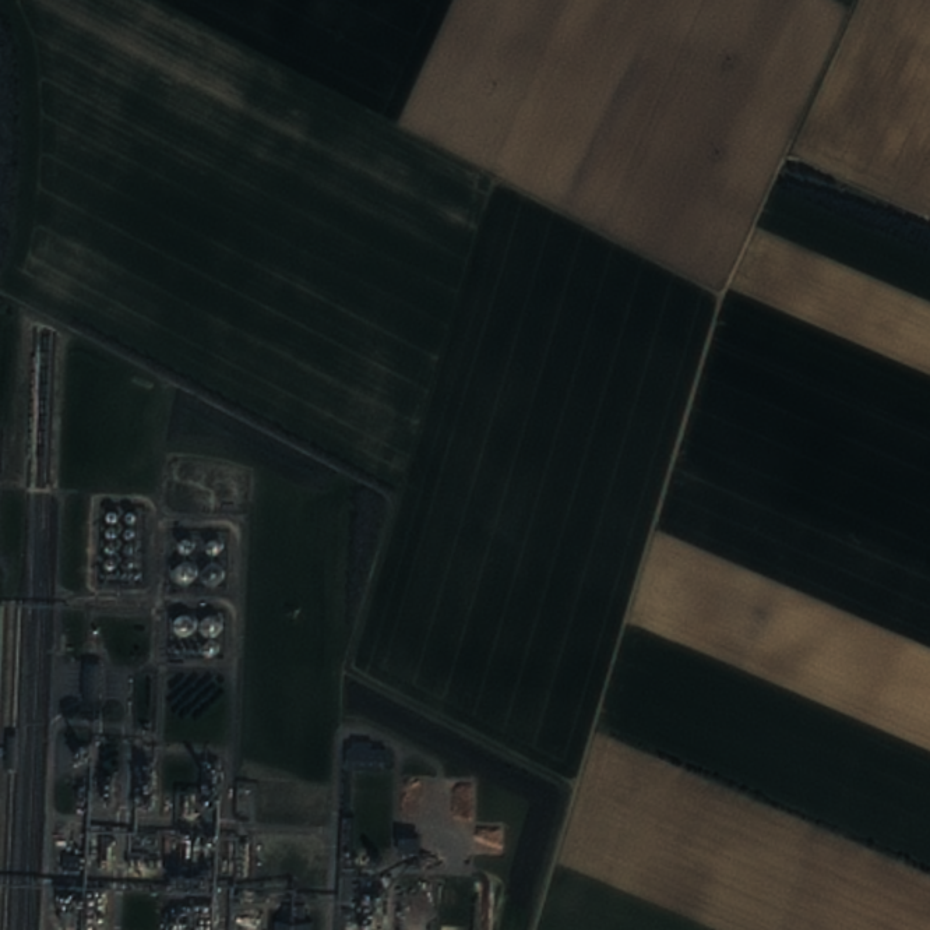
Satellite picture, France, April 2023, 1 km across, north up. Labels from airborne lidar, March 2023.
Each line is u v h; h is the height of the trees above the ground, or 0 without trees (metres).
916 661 0
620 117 0
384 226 0
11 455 0
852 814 0
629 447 0
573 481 0
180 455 0
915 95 0
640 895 0
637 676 0
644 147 0
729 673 0
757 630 0
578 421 0
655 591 0
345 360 0
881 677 0
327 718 0
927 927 0
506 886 0
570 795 0
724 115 0
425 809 0
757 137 0
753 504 0
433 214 0
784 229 0
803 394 0
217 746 0
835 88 0
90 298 0
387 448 0
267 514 0
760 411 0
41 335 0
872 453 0
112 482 0
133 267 0
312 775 0
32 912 0
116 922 0
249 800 0
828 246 0
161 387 0
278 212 0
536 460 0
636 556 0
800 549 0
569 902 0
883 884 0
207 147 0
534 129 0
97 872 0
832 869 0
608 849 0
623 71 0
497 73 0
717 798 0
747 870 0
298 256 0
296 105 0
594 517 0
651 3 0
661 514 0
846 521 0
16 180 16
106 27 0
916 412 0
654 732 0
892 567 0
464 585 0
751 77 0
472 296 0
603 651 0
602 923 0
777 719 0
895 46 0
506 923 0
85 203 0
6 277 0
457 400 0
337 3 0
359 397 0
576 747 0
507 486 0
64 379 0
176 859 0
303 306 0
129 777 0
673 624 0
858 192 0
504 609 0
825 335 0
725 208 0
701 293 0
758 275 0
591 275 0
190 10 0
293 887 15
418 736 0
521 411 0
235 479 0
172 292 0
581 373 0
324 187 0
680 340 0
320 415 0
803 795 0
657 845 0
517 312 0
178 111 0
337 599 0
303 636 0
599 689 0
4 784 0
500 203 0
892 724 0
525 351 0
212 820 0
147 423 0
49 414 0
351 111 0
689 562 0
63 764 0
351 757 0
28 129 0
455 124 0
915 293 0
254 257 0
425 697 0
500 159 0
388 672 0
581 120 0
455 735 0
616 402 0
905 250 0
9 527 0
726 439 0
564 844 0
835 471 0
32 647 0
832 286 0
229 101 0
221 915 0
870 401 0
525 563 0
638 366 0
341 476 0
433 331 0
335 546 0
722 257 0
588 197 0
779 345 0
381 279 0
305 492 0
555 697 0
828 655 0
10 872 0
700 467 0
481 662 0
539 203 0
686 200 0
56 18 0
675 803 0
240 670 0
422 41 0
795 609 0
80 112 0
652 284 0
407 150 0
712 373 0
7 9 0
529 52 0
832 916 0
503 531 0
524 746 0
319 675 0
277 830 0
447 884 0
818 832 0
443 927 0
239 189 0
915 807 0
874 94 0
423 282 0
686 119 0
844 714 0
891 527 0
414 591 0
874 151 0
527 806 0
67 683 0
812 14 0
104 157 0
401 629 0
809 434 0
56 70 0
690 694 0
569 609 0
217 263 0
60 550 0
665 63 0
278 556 0
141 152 0
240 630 0
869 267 0
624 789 0
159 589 0
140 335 0
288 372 0
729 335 0
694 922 0
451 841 0
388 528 0
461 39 0
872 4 0
